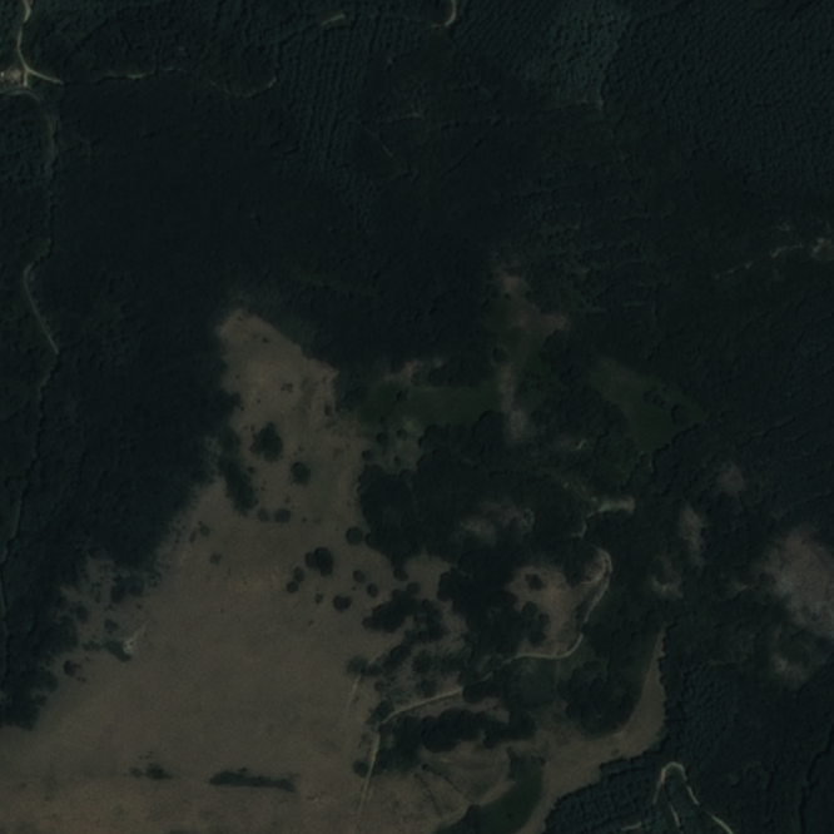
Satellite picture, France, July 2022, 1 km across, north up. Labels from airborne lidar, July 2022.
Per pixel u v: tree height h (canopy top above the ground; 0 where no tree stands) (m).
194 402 12
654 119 14
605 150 13
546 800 0
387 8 21
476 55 17
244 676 0
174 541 0
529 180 8
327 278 7
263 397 0
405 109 15
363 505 9
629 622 15
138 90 19
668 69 19
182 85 19
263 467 0
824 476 15
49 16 20
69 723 0
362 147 18
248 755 0
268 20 21
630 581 10
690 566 14
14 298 15
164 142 22
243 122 20
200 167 21
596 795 19
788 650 11
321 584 0
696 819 10
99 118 20
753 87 21
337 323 19
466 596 11
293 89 18
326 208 19
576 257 13
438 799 0
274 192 24
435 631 13
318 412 0
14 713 10
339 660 0
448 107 18
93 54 23
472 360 18
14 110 20
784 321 9
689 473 12
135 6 16
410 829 0
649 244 11
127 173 15
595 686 14
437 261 19
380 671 6
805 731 21
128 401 19
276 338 0
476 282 17
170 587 0
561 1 17
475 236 11
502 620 9
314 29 20
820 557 0
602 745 0
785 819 21
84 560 5
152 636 0
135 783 0
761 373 11
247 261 19
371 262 10
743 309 12
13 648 16
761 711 11
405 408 0
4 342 8
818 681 15
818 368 12
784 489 10
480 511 6
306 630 0
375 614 8
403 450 0
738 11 20
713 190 7
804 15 22
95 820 0
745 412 8
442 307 18
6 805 0
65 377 16
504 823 0
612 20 9
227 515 0
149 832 0
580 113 11
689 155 13
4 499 7
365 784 0
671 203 9
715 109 24
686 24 21
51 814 0
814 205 10
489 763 0
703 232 11
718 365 7
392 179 20
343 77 21
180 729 0
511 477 18
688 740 23
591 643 6
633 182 9
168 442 10
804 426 13
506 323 0
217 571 0
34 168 22
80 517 13
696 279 13
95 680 0
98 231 16
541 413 9
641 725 0
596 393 7
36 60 12
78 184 15
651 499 10
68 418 13
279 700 0
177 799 0
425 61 18
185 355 9
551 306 7
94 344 15
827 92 24
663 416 0
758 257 11
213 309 7
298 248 21
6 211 24
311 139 22
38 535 9
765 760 16
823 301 12
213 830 0
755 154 23
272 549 0
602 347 11
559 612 0
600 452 11
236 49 24
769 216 9
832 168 23
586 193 12
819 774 20
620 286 16
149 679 0
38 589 13
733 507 7
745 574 13
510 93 20
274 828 0
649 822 12
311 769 0
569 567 10
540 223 12
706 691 19
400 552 6
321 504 0
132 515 8
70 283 15
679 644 16
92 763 0
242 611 0
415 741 8
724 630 13
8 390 13
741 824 8
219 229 22
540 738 0
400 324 14
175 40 6
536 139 16
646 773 20
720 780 12
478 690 16
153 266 18
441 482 11
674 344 11
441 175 10
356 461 0
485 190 17
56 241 13
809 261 8
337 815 0
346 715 0
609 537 19
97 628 0
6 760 0
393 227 19
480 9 17
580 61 15
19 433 17
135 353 12
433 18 11
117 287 18
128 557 6
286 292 12
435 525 10
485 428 18
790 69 23
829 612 0
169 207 15
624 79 17
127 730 0
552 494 12
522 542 9
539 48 9
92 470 19
